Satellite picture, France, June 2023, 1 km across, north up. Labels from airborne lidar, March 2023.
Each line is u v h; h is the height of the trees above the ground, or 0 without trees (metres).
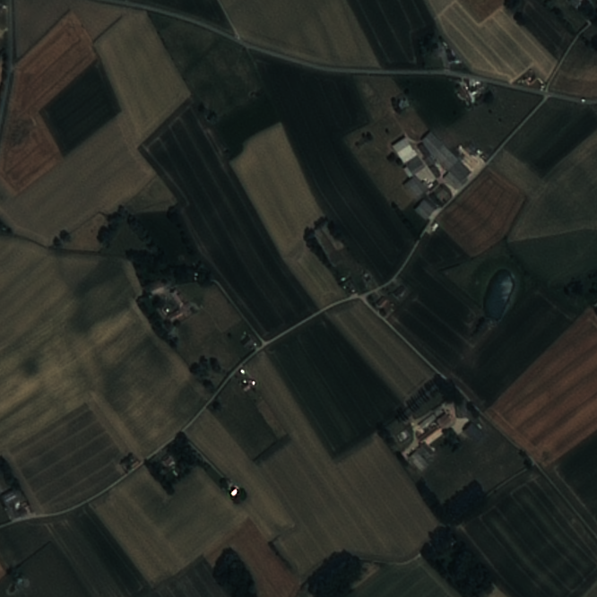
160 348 0
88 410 0
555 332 0
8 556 0
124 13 0
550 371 0
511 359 0
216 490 0
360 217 0
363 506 0
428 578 0
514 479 0
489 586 20
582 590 0
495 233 0
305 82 0
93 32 0
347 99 0
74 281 0
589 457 0
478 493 32
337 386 0
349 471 0
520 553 0
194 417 0
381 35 0
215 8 0
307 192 0
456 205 0
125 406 0
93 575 0
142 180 0
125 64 0
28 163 0
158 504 0
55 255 0
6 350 0
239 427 0
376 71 0
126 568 0
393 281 0
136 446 0
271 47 0
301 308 0
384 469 0
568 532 0
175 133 0
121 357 0
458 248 0
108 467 0
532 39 0
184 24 0
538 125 0
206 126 0
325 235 0
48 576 0
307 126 0
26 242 0
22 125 0
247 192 0
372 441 0
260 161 0
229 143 0
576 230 0
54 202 0
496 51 0
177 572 0
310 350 0
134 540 0
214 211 0
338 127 0
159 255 7
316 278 0
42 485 0
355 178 0
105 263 0
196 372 17
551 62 0
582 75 0
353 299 0
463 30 0
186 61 0
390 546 0
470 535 0
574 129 0
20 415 0
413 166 0
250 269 0
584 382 0
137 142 0
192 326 0
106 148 0
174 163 0
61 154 0
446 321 0
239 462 0
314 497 0
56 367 0
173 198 0
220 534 0
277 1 0
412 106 0
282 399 0
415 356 0
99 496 0
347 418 0
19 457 0
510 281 0
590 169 0
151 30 0
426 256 0
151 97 0
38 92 0
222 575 19
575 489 0
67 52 0
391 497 0
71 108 0
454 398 26
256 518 0
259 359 0
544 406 0
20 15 0
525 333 0
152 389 0
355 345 0
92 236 0
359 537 0
